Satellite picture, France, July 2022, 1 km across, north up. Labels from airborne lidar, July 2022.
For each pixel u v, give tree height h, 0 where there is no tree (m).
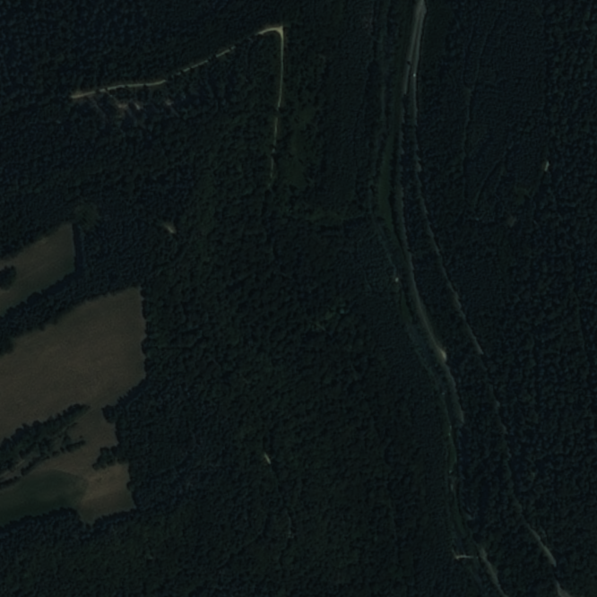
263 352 38
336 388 41
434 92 12
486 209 10
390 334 25
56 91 9
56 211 21
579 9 9
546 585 26
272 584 20
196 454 29
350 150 24
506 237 19
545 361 24
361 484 22
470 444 27
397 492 31
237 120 29
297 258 28
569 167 31
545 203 31
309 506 21
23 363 0
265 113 20
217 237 31
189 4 16
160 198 30
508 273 16
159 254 15
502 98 21
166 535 22
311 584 29
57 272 0
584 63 22
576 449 28
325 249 26
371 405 24
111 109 5
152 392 23
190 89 11
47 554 14
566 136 17
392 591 31
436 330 6
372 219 20
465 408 16
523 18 21
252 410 21
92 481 0
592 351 16
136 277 22
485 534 27
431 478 27
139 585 28
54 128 20
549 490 28
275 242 29
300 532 27
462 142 14
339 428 31
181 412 17
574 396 21
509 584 18
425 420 29
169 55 10
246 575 18
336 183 24
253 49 10
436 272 21
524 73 23
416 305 22
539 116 21
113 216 26
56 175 25
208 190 18
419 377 28
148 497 33
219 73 15
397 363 26
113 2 37
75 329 0
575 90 21
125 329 0
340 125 27
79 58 10
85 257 26
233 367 24
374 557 24
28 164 21
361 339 26
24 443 19
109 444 0
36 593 24
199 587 9
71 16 34
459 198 21
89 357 0
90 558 28
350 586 30
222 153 24
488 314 18
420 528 37
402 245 14
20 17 28
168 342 33
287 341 30
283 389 24
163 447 19
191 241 29
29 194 17
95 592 25
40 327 15
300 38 13
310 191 20
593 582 29
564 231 20
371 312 22
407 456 26
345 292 38
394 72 9
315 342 31
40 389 0
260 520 24
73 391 0
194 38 17
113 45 44
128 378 0
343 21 25
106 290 20
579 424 31
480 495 8
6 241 8
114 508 0
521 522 29
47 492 0
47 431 6
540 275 15
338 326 31
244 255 29
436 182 18
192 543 27
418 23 0
